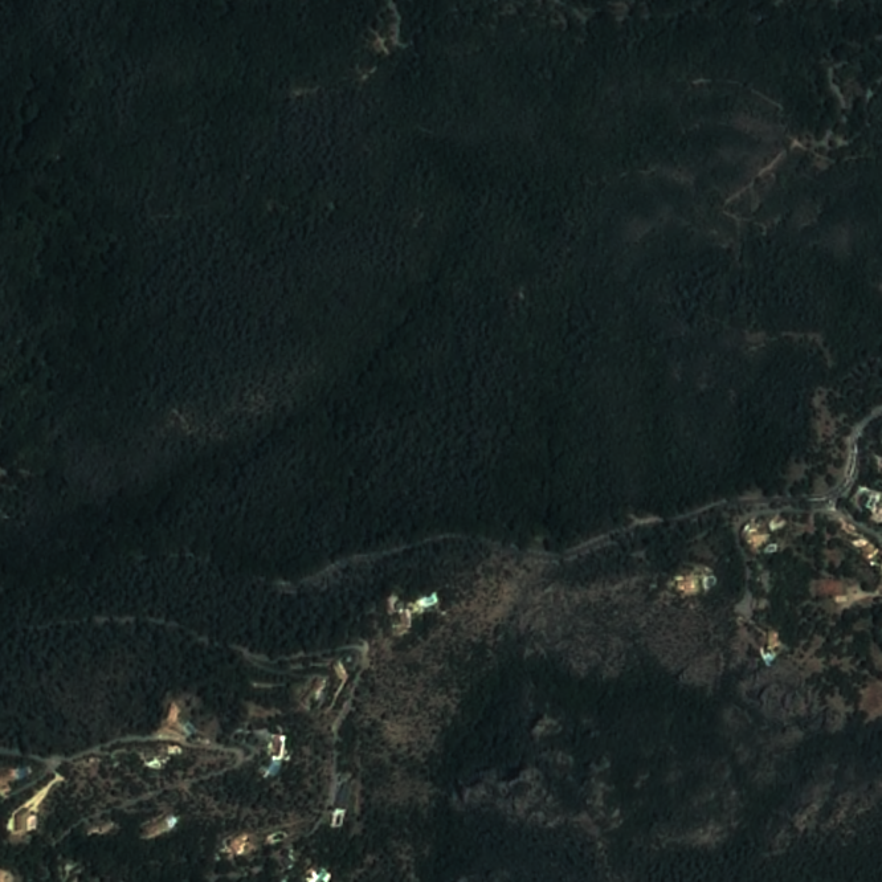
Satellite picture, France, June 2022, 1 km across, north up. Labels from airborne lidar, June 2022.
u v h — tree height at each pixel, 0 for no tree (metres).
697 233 7
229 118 13
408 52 12
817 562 7
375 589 16
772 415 8
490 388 15
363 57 7
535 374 8
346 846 10
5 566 14
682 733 6
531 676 10
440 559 21
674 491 14
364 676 7
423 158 10
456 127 9
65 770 6
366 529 15
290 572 18
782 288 6
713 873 13
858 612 9
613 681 9
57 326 15
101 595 19
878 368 18
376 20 9
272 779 10
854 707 6
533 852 11
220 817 6
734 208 6
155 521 20
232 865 13
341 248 19
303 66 12
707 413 6
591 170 10
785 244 6
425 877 13
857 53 8
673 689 8
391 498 7
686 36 16
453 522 19
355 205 11
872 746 9
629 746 8
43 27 15
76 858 12
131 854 13
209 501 16
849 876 11
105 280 19
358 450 16
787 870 16
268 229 15
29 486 11
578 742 11
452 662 7
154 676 7
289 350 15
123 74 8
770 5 13
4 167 15
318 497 15
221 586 27
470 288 8
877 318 7
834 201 8
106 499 11
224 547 20
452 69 11
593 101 8
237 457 23
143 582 20
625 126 6
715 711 10
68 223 6
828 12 9
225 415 14
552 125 12
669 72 9
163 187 7
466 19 9
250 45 17
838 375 8
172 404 14
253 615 23
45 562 19
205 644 8
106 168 11
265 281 22
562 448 15
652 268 7
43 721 15
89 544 15
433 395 17
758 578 8
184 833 10
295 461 19
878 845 6
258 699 17
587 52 7
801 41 9
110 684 6
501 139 10
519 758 13
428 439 10
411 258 11
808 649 7
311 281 21
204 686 21
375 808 15
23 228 22
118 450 16
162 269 21
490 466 18
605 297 6
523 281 8
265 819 8
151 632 21
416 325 19
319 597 7
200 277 9
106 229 10
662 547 9
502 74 9
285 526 17
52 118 21
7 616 18
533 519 21
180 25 21
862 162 9
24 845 11
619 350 7
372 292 6
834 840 16
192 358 7
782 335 7
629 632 5
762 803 10
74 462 14
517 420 12
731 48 15
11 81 16
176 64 8
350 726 10
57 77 17
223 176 9
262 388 13
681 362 6
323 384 13
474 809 8
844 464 6
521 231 7
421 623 10
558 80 15
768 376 10
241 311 21
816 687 7
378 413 10
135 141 12
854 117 11
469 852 10
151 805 9
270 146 7
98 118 16
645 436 9
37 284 16
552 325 8
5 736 15
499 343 8
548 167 7
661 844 6
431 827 14
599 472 11
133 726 11
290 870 10
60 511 11
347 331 10
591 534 15
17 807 19
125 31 21
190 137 11
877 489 6
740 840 10
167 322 12
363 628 9
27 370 9
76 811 8
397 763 16
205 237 9
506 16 8
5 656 19
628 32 10
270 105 11
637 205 6
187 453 15
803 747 10
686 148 11
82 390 13
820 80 11
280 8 21
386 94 6
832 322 8
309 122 17
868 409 11
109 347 15
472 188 12
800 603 8
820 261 9
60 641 20
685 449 9
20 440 15
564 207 10
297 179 14
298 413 8
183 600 22
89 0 13
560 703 13
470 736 15
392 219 10
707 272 18
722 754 5
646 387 12
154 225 13
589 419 11
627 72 7
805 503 11
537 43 6
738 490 15
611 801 7
